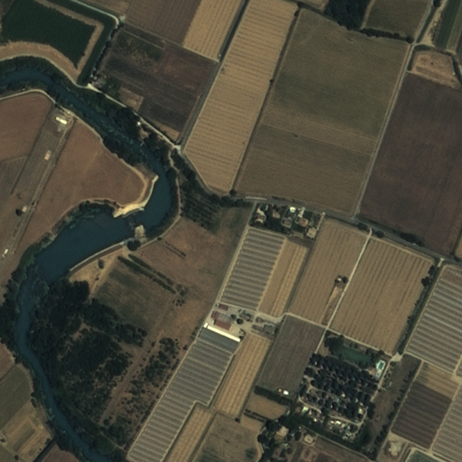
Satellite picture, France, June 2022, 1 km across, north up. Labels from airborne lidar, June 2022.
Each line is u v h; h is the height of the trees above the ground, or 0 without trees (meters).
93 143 0
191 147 0
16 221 0
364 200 0
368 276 0
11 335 14
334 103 0
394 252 0
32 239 0
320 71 0
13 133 0
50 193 0
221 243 0
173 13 0
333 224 0
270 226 15
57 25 6
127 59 0
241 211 0
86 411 9
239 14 0
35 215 0
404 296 0
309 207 0
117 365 6
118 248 0
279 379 0
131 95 0
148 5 0
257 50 0
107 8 0
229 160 0
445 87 0
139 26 0
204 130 0
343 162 0
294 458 0
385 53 0
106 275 0
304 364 0
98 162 0
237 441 0
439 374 0
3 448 0
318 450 0
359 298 0
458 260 11
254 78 0
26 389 0
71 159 0
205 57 0
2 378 0
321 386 18
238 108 0
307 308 0
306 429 6
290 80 0
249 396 0
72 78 0
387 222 0
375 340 0
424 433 0
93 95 5
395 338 0
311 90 0
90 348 7
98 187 0
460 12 0
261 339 0
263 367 0
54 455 0
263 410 0
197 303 0
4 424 0
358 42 0
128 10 0
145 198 0
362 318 0
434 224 0
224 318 0
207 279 0
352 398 15
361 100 0
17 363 11
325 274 0
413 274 0
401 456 0
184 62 0
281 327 0
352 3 14
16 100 0
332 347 9
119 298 0
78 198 0
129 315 0
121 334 7
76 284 12
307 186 0
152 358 6
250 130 0
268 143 0
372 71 0
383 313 0
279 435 0
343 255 0
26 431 0
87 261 0
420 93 0
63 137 0
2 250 0
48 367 16
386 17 0
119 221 0
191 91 0
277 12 0
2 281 0
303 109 0
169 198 0
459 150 0
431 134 0
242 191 0
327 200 0
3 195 0
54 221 0
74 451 11
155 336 0
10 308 16
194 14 0
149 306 0
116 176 0
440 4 12
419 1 0
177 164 7
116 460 9
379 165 0
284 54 0
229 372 0
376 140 0
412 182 0
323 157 0
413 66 0
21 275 22
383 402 0
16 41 6
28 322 0
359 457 0
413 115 0
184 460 0
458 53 0
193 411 0
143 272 5
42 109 0
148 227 0
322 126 0
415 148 0
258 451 0
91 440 13
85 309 9
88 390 8
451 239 0
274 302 0
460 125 0
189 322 0
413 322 9
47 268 0
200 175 0
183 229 0
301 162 0
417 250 0
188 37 0
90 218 0
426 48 6
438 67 0
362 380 23
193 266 0
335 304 0
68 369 9
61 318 8
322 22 0
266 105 0
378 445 7
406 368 0
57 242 0
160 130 7
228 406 0
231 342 0
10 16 6
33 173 0
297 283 0
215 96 0
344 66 0
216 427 0
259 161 0
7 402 0
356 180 0
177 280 0
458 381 0
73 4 7
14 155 0
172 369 6
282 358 0
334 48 0
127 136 0
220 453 0
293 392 0
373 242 0
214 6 0
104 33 6
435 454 0
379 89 0
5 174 0
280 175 0
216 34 0
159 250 0
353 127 0
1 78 12
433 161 0
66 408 18
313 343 0
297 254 0
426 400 0
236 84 0
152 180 0
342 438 8
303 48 0
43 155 0
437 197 0
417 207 0
